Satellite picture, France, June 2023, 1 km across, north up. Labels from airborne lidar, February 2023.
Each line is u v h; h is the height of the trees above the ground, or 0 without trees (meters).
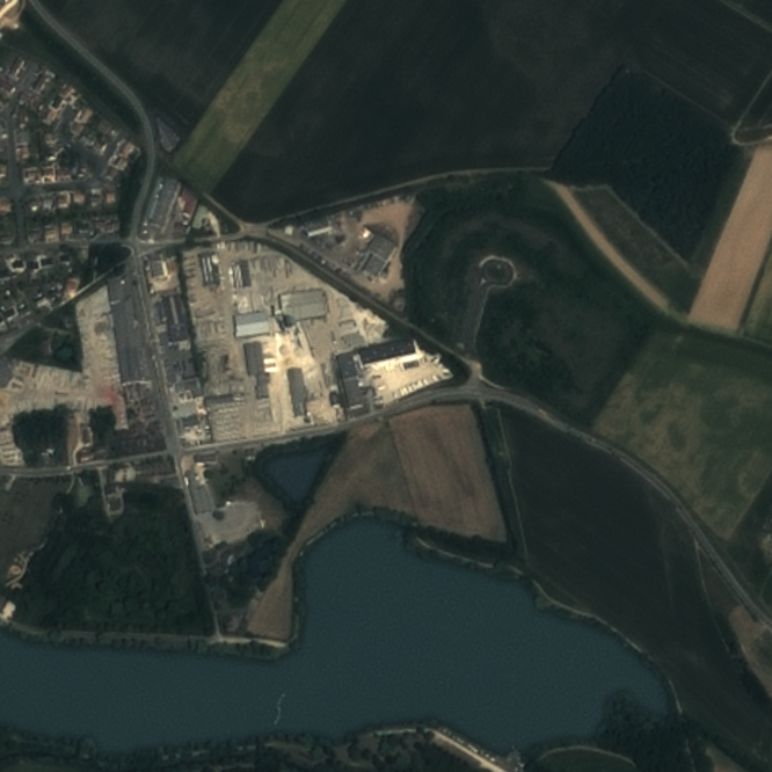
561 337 0
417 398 0
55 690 0
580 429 0
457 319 0
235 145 0
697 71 0
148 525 19
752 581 0
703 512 0
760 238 0
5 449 0
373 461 0
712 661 0
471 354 0
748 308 0
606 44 0
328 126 0
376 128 0
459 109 0
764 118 0
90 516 14
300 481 0
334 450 7
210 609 6
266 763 10
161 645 8
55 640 12
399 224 0
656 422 0
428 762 7
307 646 0
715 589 0
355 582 0
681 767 6
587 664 0
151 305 0
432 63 0
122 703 0
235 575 15
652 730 21
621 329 0
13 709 0
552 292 0
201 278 0
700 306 0
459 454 0
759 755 0
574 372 0
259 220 0
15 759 10
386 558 0
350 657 0
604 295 0
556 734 0
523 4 0
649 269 0
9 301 0
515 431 0
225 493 8
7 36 0
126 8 0
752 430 0
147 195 0
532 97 0
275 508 0
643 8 0
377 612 0
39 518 0
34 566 11
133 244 0
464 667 0
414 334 7
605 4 0
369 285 0
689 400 0
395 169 0
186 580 0
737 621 0
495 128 0
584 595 0
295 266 0
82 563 11
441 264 0
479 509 0
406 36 0
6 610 0
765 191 0
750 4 0
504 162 0
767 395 0
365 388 0
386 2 0
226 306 0
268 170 0
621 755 14
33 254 0
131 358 0
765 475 0
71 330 0
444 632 0
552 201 0
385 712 0
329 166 0
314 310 0
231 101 0
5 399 0
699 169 15
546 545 0
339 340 0
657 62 0
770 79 0
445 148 0
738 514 0
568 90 0
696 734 18
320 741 12
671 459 0
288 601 0
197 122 0
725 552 0
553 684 0
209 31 0
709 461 0
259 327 0
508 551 9
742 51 0
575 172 15
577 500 0
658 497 0
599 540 0
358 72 0
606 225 0
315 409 0
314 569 0
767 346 0
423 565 0
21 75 0
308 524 0
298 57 0
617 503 0
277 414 0
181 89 0
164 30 0
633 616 0
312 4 0
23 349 0
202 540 0
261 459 10
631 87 16
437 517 0
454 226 0
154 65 0
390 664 0
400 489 0
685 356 0
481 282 0
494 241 0
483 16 0
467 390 0
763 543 0
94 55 0
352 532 0
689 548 0
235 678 0
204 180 0
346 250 0
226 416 0
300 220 12
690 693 0
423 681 0
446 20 0
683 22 0
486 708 0
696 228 17
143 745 0
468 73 0
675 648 0
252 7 0
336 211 11
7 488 0
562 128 0
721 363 0
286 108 0
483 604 0
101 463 0
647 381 0
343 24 0
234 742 13
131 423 0
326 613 0
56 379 0
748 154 0
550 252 0
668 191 18
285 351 0
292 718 0
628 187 16
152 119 0
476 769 0
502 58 0
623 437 0
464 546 12
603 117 15
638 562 0
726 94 0
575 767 0
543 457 0
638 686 0
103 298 0
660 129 18
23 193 0
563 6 0
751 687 8
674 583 0
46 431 18
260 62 0
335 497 0
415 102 0
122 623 0
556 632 0
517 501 0
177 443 0
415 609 0
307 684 0
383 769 14
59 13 0
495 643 0
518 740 0
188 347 0
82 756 15
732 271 0
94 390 0
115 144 0
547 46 0
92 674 0
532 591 8
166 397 0
